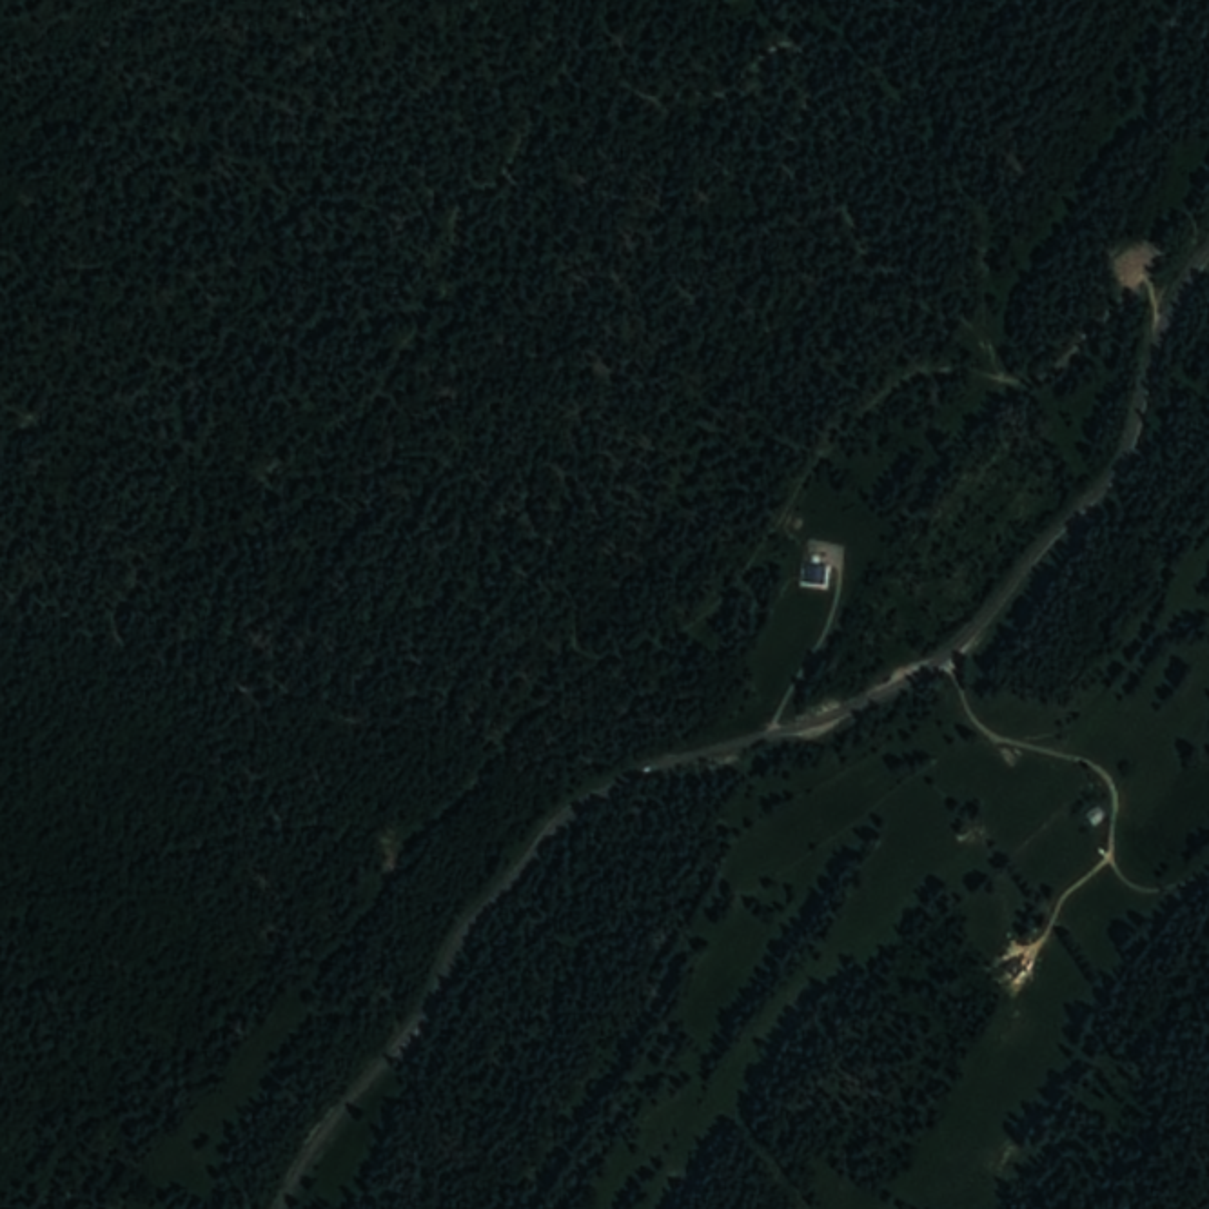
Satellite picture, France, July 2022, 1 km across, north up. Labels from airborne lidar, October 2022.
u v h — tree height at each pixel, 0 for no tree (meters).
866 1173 24
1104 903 0
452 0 9
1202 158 0
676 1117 0
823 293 9
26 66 17
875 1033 9
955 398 12
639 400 23
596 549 25
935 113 22
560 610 19
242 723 21
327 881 18
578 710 18
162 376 6
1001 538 8
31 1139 11
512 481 20
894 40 17
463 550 20
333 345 23
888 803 0
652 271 20
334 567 23
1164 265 16
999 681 23
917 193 31
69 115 10
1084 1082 19
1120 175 29
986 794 0
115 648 18
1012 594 0
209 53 17
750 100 13
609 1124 7
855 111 29
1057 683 21
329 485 17
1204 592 13
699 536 29
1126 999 28
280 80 11
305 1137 8
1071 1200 27
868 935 0
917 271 28
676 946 29
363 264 25
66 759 16
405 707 18
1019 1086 0
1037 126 34
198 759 19
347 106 17
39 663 16
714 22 8
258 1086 0
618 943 18
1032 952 0
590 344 19
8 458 14
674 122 8
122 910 13
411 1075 20
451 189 26
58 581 25
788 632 0
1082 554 26
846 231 26
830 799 0
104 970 15
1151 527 30
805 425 17
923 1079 13
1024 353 8
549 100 20
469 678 26
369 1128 0
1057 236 10
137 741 12
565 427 9
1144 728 0
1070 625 29
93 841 14
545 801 24
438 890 15
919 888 0
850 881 17
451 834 20
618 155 18
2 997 24
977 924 0
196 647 14
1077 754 0
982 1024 22
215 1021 20
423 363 14
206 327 7
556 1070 26
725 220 25
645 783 23
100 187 14
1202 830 0
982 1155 0
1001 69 30
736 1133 29
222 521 16
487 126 24
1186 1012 20
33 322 14
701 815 17
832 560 0
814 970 0
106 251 9
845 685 12
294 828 21
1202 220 20
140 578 8
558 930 19
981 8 23
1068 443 0
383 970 21
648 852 21
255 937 20
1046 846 0
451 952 0
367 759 16
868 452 15
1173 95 17
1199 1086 31
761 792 0
